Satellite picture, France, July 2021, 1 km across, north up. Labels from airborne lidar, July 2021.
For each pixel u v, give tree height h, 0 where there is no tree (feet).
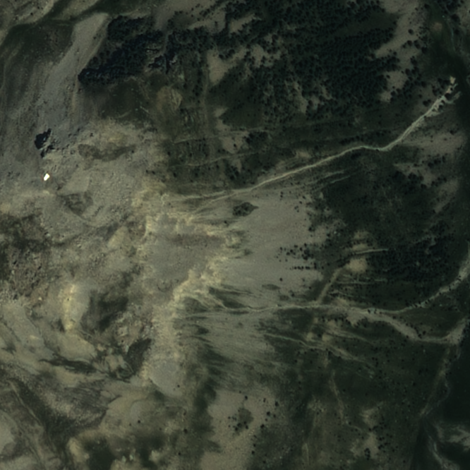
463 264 0
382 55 0
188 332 0
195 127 0
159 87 0
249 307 0
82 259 0
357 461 0
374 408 0
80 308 0
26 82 0
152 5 0
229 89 0
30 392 0
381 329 0
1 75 0
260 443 0
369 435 0
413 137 0
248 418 0
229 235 0
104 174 0
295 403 0
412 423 0
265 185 0
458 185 0
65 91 0
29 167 0
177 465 0
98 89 0
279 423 0
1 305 0
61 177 0
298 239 0
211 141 0
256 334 0
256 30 22
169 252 0
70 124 0
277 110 56
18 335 0
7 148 0
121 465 0
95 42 0
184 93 0
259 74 20
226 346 0
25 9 0
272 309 0
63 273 0
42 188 0
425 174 0
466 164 0
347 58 58
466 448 0
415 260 24
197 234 0
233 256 0
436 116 0
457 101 0
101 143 0
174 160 0
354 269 0
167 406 0
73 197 0
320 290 0
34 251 0
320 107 43
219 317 0
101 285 0
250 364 0
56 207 0
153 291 0
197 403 0
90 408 0
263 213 0
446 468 0
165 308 0
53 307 0
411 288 0
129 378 0
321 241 0
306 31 53
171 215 0
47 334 0
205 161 0
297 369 0
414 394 0
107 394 0
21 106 0
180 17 0
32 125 0
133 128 0
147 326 0
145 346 0
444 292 0
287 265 0
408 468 0
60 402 0
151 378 0
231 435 0
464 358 0
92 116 0
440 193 0
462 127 0
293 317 0
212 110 0
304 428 0
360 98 35
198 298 0
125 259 0
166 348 0
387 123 0
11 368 0
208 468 0
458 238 0
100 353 0
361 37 43
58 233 0
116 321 0
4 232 0
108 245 0
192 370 0
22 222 0
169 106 0
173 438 0
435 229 23
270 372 0
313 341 0
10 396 0
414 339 0
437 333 0
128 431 0
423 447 0
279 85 28
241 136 0
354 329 0
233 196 0
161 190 0
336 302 0
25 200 0
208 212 0
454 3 41
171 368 0
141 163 0
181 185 0
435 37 0
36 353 0
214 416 0
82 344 0
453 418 0
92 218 0
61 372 0
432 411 0
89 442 0
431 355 0
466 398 0
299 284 0
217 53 0
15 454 0
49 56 0
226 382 0
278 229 0
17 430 0
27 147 0
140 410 0
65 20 0
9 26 0
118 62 42
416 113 0
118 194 0
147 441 0
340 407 0
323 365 0
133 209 0
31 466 0
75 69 0
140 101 0
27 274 0
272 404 0
